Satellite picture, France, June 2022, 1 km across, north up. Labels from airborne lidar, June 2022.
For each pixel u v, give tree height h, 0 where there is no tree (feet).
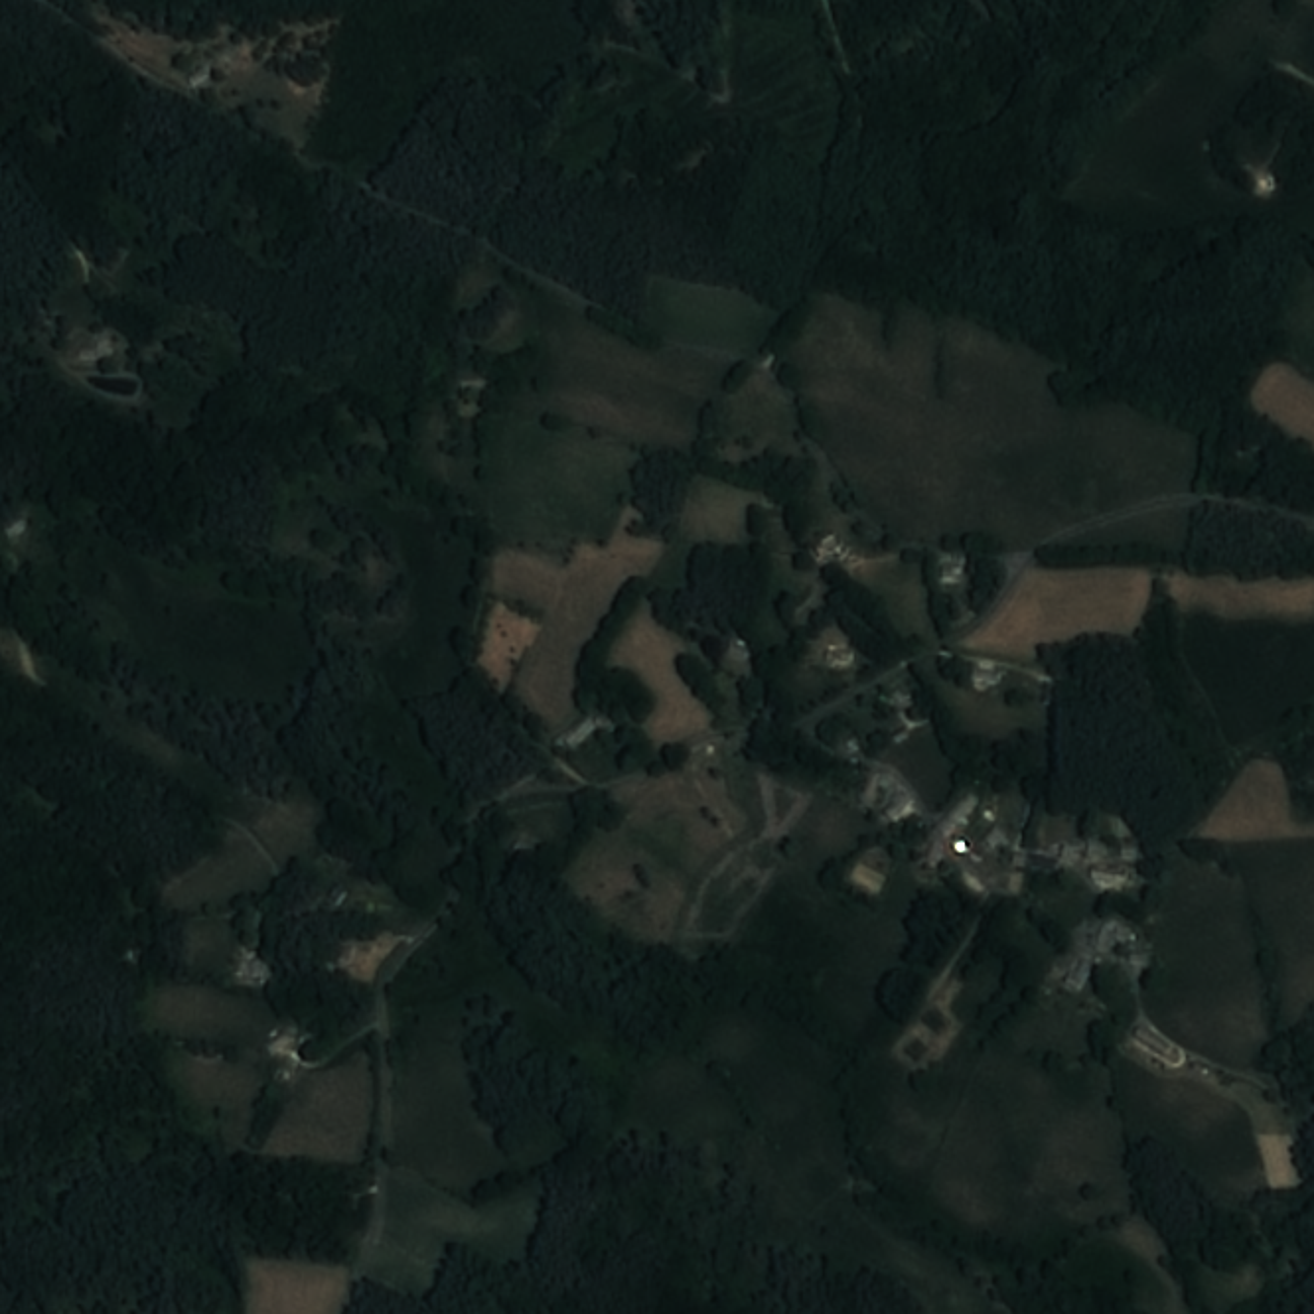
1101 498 0
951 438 0
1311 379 0
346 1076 0
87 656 81
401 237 71
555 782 57
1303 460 42
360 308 111
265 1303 0
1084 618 0
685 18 77
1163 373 56
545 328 0
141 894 55
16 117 36
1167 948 0
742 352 0
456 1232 0
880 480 0
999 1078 0
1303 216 0
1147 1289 0
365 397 58
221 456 72
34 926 52
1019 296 42
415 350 71
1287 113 21
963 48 25
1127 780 75
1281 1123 0
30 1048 71
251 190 54
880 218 48
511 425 0
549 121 62
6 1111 62
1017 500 0
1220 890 0
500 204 71
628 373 0
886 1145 0
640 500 34
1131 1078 0
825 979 0
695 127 26
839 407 0
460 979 0
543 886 77
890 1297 48
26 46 63
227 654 0
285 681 0
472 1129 0
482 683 49
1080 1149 0
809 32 0
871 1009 0
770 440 0
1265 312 60
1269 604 0
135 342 37
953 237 50
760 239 47
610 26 77
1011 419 0
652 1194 26
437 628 0
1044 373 0
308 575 30
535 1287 61
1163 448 0
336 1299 0
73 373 0
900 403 0
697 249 54
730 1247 29
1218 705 0
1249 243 55
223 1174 52
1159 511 0
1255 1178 0
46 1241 90
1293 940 0
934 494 0
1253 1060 0
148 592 0
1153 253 40
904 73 55
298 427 44
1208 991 0
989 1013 45
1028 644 0
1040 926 60
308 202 69
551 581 0
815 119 0
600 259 61
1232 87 0
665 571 0
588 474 0
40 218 73
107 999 59
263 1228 39
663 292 0
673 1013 38
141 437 52
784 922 0
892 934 0
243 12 56
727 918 0
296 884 58
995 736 0
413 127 17
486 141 60
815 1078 0
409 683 0
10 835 60
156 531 75
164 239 56
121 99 72
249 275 61
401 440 40
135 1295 21
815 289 49
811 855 0
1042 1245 0
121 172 97
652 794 0
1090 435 0
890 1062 0
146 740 0
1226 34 0
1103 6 35
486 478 48
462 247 66
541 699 0
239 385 41
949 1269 0
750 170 42
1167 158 0
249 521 68
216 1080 0
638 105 0
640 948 42
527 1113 80
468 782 66
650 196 47
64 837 43
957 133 28
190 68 38
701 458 35
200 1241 75
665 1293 68
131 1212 89
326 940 57
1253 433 63
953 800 30
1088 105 70
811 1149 0
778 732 65
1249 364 43
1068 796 81
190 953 27
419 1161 0
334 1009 62
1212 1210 40
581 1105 122
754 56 0
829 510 0
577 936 18
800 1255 36
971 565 42
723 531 0
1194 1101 0
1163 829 75
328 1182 52
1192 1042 0
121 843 65
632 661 0
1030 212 91
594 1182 42
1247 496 48
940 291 60
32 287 71
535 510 0
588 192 66
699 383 0
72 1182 62
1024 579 0
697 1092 0
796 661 48
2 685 95
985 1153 0
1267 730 0
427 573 0
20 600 79
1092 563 37
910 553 37
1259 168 0
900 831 39
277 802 54
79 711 28
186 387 45
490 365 50
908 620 0
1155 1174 58
